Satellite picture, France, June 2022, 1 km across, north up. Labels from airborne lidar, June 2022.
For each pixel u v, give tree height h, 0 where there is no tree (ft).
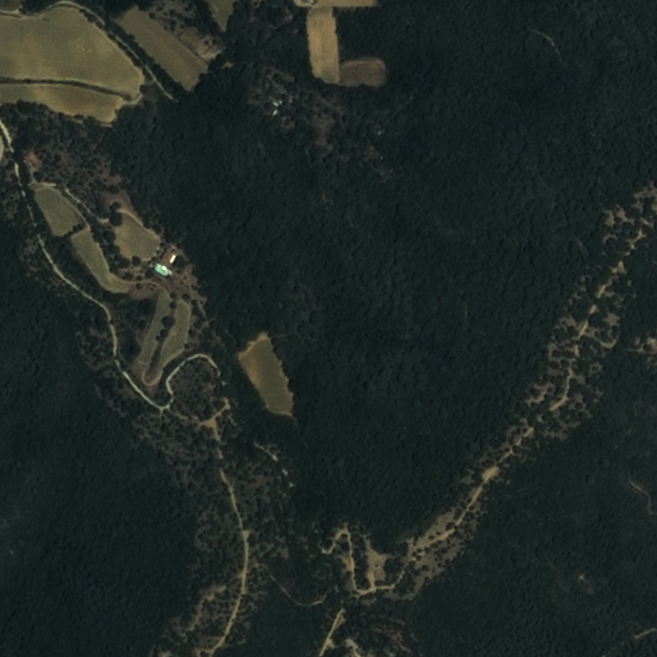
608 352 27
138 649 20
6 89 0
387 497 23
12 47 0
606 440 30
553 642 49
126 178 23
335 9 30
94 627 31
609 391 33
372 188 33
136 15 0
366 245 32
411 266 38
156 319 0
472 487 27
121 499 19
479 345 26
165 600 20
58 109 0
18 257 23
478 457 29
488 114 23
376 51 32
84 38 0
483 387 28
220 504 22
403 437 43
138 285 20
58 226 0
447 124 21
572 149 45
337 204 25
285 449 34
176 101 21
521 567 48
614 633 34
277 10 28
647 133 33
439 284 27
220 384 24
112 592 23
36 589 20
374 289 33
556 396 22
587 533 27
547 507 26
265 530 29
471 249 32
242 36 24
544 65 29
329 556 31
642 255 34
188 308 0
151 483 22
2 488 27
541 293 37
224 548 22
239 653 37
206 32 29
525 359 27
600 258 43
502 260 35
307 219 41
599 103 24
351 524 24
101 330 28
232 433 39
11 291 23
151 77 27
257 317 56
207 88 58
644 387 20
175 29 27
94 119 48
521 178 37
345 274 19
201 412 20
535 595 26
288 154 42
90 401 18
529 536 28
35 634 34
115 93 0
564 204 34
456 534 24
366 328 26
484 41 27
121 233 0
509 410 30
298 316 34
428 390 22
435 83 51
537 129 36
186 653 33
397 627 20
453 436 25
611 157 38
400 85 36
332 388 33
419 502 30
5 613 38
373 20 28
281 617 22
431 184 20
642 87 25
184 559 23
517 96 47
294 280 30
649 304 37
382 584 24
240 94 34
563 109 21
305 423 28
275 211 21
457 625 25
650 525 25
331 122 0
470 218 28
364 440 26
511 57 27
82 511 24
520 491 25
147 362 0
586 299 31
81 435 25
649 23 22
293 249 28
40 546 18
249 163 44
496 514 22
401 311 20
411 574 21
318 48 0
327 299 39
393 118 27
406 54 22
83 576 26
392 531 26
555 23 19
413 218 19
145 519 30
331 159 39
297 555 29
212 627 20
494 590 31
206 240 46
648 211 36
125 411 30
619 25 41
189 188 27
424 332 25
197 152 27
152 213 25
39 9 35
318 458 33
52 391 21
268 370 0
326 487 45
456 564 28
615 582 31
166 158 42
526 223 35
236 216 28
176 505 23
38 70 0
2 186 29
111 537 31
